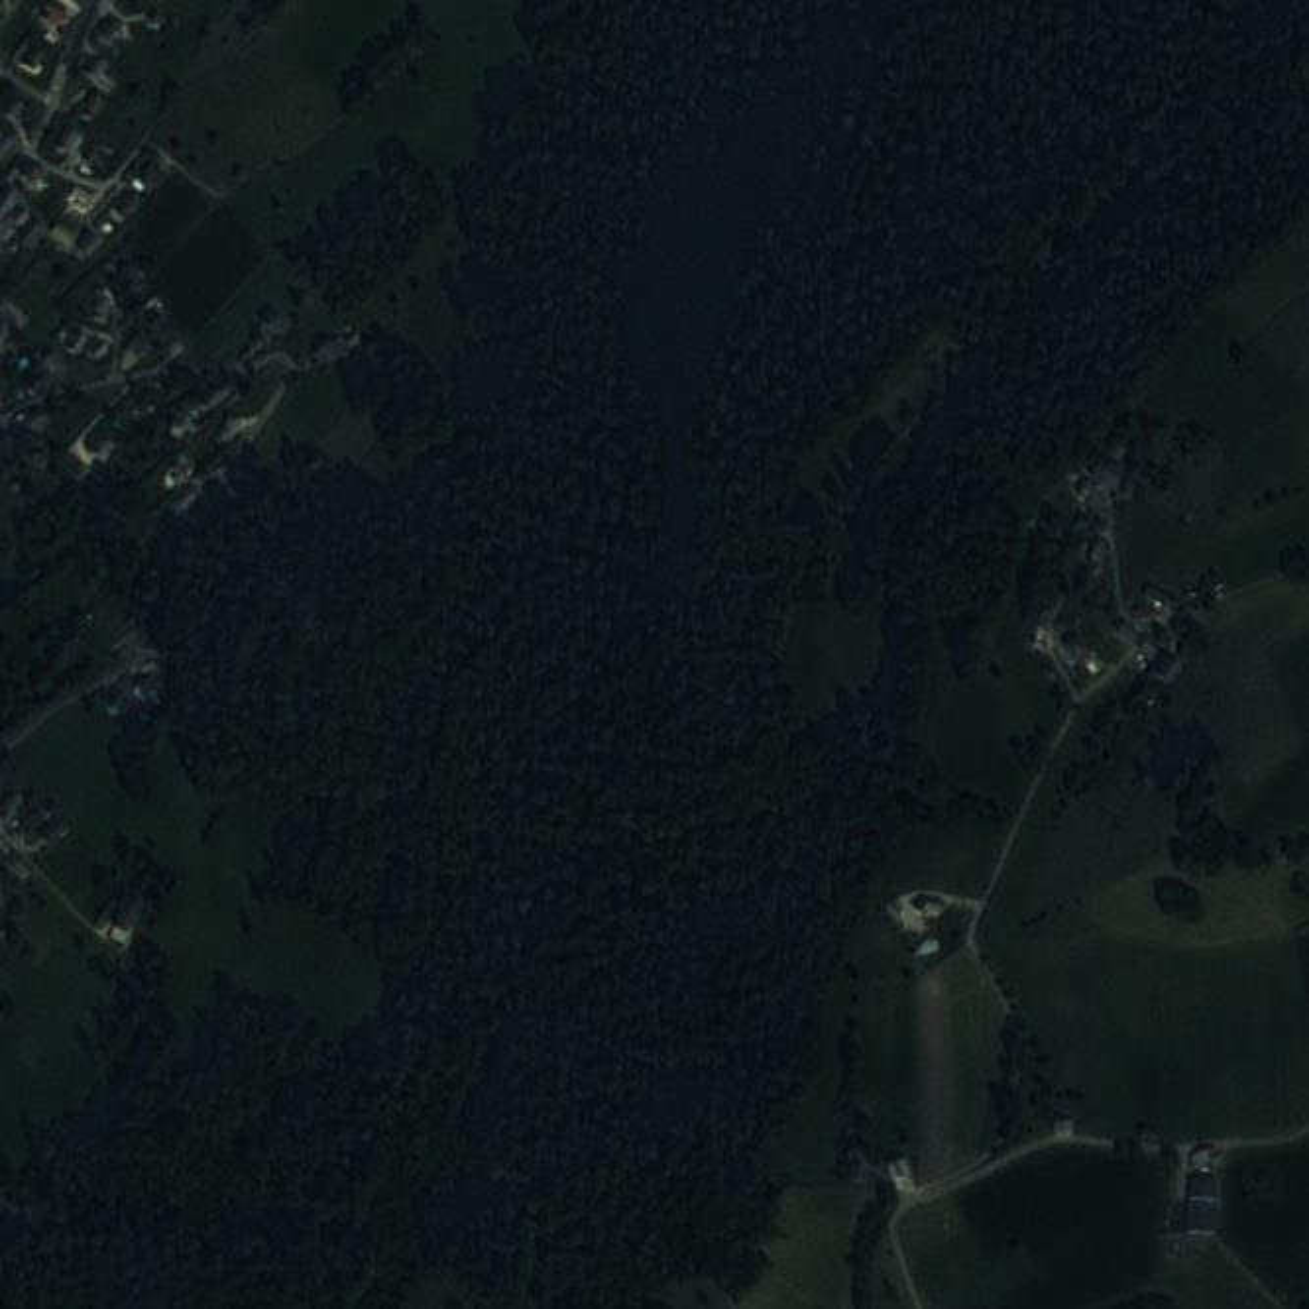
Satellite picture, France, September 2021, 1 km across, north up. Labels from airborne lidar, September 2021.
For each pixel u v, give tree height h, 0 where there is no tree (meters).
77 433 0
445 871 13
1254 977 0
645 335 31
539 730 21
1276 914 0
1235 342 0
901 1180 0
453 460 27
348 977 0
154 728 20
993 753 0
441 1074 14
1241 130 19
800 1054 29
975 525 27
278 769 22
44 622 0
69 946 0
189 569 20
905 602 23
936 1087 0
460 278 0
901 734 25
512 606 24
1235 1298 0
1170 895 16
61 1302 28
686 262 24
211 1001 0
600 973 15
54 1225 31
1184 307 23
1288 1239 0
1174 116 18
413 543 27
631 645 24
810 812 20
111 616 0
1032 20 28
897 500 23
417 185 20
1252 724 0
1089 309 31
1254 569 0
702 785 26
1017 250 14
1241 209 24
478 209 27
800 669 0
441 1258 35
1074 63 14
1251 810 0
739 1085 21
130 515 10
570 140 17
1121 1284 0
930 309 26
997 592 21
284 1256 27
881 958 0
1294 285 0
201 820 0
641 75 23
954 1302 0
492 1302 37
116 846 0
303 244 0
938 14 25
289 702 10
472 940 14
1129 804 0
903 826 17
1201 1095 0
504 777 26
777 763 23
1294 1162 0
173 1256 33
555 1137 16
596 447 34
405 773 20
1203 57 27
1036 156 22
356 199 0
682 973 23
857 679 0
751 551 23
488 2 0
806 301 19
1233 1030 0
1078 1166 0
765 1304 0
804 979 23
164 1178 34
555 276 24
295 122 0
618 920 32
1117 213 8
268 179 0
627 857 10
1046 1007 0
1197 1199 0
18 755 0
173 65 0
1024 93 30
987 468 25
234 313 0
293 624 21
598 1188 26
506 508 28
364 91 17
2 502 0
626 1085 26
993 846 0
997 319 26
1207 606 11
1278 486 0
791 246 24
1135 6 26
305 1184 27
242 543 24
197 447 0
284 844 0
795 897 21
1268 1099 0
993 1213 0
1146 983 0
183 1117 28
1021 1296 0
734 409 12
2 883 10
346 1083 20
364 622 21
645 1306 13
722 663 29
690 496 37
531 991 22
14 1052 0
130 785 24
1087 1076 0
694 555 21
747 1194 17
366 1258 27
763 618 28
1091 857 0
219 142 9
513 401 22
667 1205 24
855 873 21
